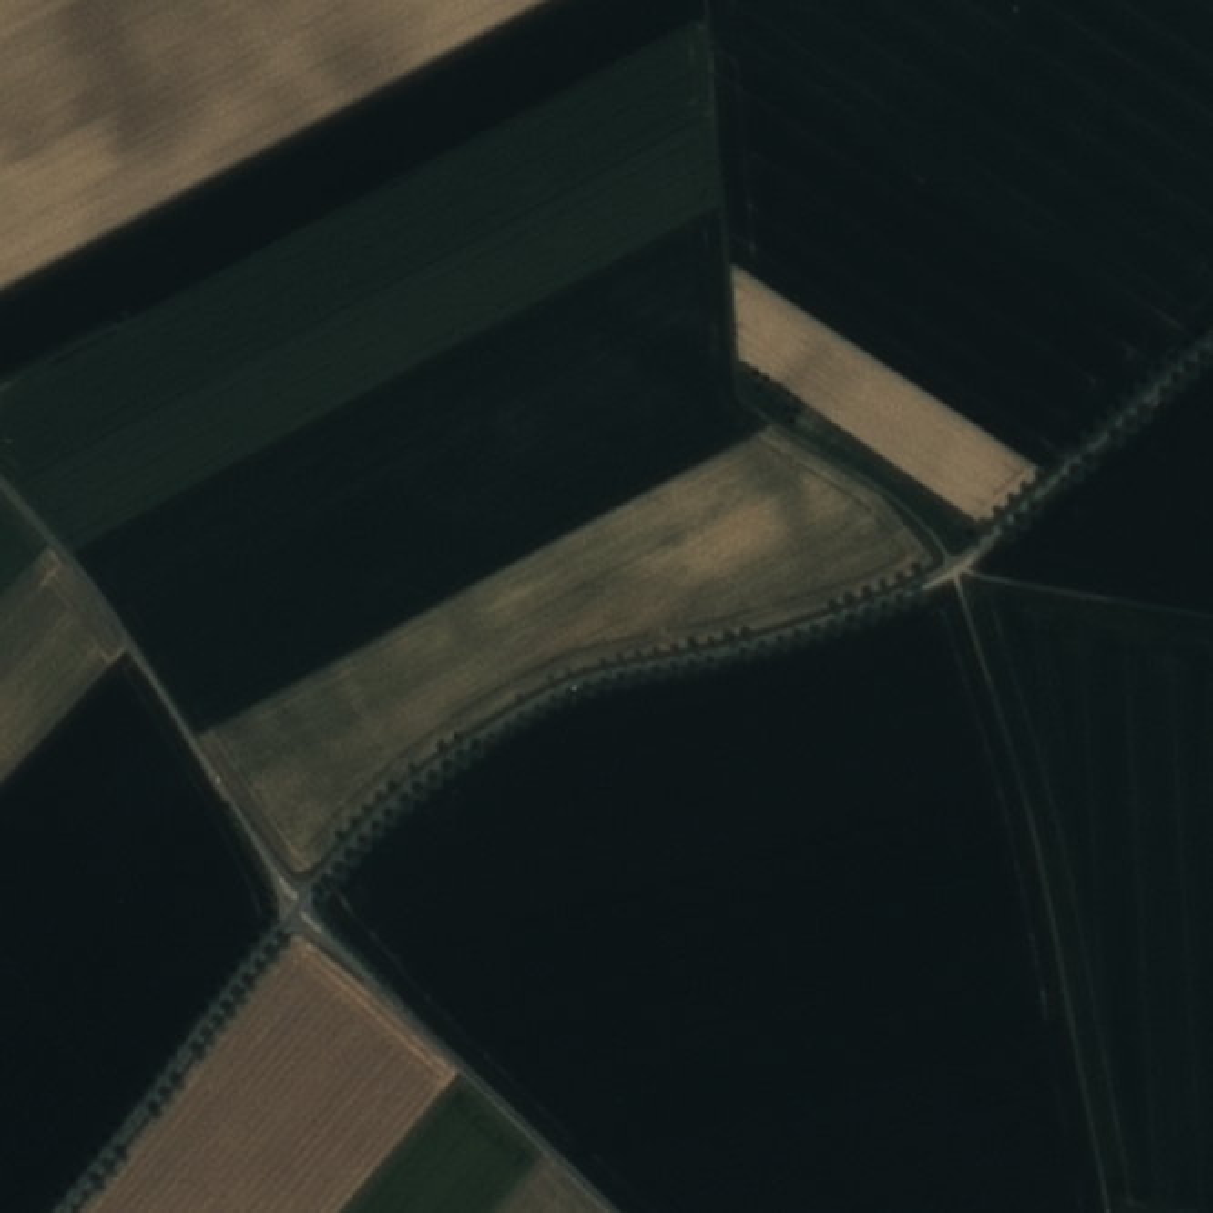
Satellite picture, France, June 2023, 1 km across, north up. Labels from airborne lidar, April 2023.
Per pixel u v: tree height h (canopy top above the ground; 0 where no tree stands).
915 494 0
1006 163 0
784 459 0
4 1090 0
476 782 0
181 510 0
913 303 0
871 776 0
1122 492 0
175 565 0
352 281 0
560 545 0
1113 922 0
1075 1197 0
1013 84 0
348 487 0
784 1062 0
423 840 0
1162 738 0
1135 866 0
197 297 0
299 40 0
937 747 0
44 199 0
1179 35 0
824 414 0
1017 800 0
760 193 0
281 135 0
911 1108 0
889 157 0
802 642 9
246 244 0
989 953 0
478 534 0
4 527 0
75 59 0
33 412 0
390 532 0
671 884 0
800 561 0
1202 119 0
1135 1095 0
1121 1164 0
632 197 0
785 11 0
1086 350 0
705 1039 0
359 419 0
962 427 0
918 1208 0
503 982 0
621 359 0
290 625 0
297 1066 0
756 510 0
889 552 0
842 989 0
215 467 0
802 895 0
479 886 0
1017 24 0
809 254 0
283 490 0
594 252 0
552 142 0
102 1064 0
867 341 0
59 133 0
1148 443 0
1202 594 0
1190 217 0
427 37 0
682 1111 0
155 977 0
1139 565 0
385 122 0
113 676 0
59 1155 0
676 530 0
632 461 0
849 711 0
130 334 0
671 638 0
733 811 0
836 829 0
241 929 0
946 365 0
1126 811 0
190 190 0
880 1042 0
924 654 0
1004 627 0
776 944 0
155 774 0
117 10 0
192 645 0
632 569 0
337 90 0
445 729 0
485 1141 0
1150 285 0
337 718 0
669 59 0
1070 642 0
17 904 0
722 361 0
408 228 0
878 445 0
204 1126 0
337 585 0
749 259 0
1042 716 0
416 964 0
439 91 0
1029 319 0
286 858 0
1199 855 0
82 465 0
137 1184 0
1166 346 0
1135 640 0
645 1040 0
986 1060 0
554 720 0
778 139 0
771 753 0
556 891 0
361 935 0
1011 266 0
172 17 0
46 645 0
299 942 0
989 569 0
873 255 0
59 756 0
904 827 0
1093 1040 0
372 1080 0
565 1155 0
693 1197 0
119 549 0
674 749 0
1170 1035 0
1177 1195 0
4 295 0
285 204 0
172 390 0
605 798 0
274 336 0
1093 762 0
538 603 0
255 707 0
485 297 0
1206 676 0
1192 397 0
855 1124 0
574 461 0
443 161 0
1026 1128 0
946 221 0
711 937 0
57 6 0
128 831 0
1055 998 0
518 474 0
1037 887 0
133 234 0
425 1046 0
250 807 0
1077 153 0
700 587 0
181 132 0
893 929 0
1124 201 0
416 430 0
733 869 0
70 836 0
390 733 0
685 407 0
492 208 0
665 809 0
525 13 0
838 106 0
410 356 0
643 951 0
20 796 0
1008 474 0
